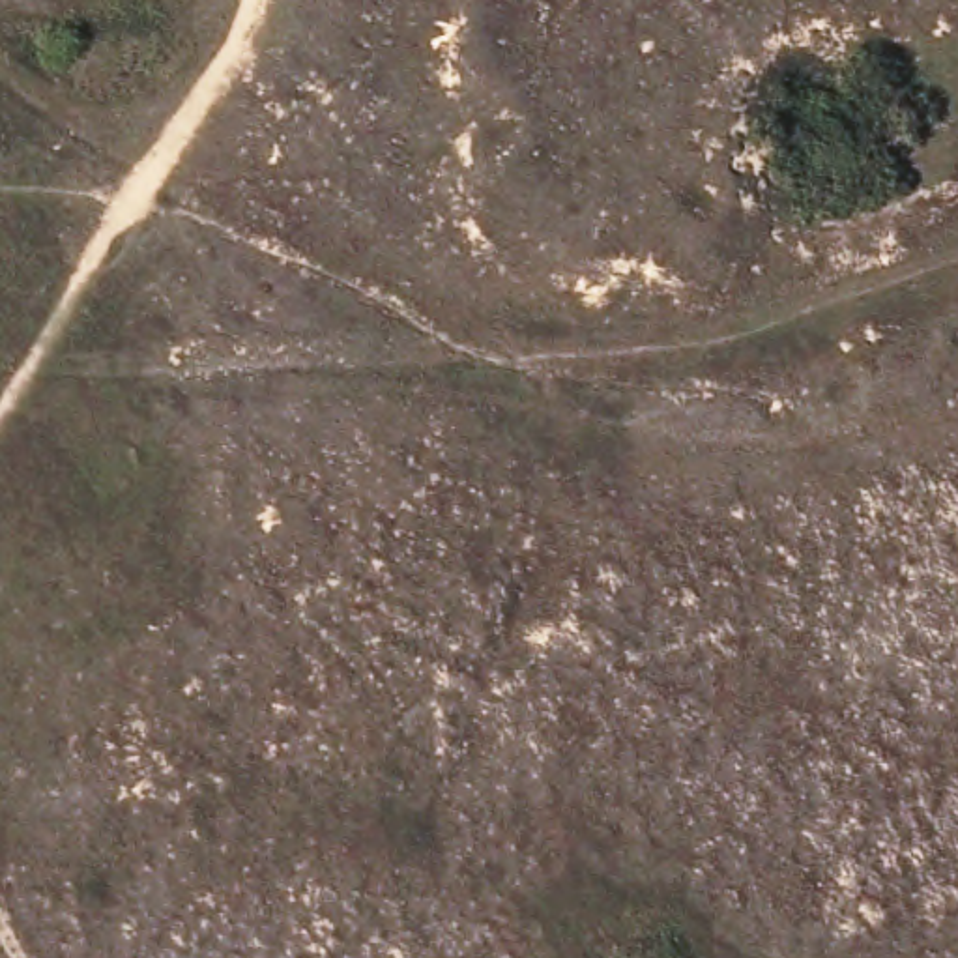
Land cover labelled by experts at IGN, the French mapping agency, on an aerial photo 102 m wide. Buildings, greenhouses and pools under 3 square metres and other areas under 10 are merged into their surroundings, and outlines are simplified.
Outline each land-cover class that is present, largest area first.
<instances>
[{"label":"herbaceous vegetation","instance_id":"1","mask_svg":"<svg viewBox=\"0 0 958 958\"><path fill-rule=\"evenodd\" d=\"M240 0H0V389L37 341L79 254L97 232L105 210L112 206L120 183L153 150L165 123L176 116L198 75L225 45ZM52 19H90V22H94V45H90V52H86V56H79V52H75V34H71V30H49V26H52ZM876 34L883 41L906 45L913 52L921 82L939 86L947 97V112L932 127V138L909 157L921 176V187L879 210H864L853 217H827L805 225L797 210L782 225V210L771 195L790 191L793 180L767 161L771 142H763L756 127H748L756 75L767 71L782 49H808L812 56L835 64L846 60L853 41ZM0 958H958V0H269L266 19L254 30V56L236 67L232 86L210 105L195 138L165 176L150 213L109 243V254L82 288L67 329L60 333L41 370L19 397L15 412L0 427Z\"/></svg>","mask_w":958,"mask_h":958},{"label":"brushwood","instance_id":"2","mask_svg":"<svg viewBox=\"0 0 958 958\"><path fill-rule=\"evenodd\" d=\"M49 30H71V34H75V52H79V56H86V52H90V45H94V22H90V19H52V26H49ZM947 112V97L939 86L921 82L913 52L906 45L883 41L876 34L853 41L846 60L835 64L812 56L808 49H782L767 71L756 75L748 127H756L763 142H771L767 161L793 180L790 191L771 195L782 210V225L797 210L805 225L827 217H853L864 210H879L921 187V176L909 157L932 138V127Z\"/></svg>","mask_w":958,"mask_h":958},{"label":"pervious surface","instance_id":"3","mask_svg":"<svg viewBox=\"0 0 958 958\"><path fill-rule=\"evenodd\" d=\"M269 0H240L225 45L198 75L176 116L165 123L153 150L120 183L112 206L105 210L97 232L79 254L37 341L0 389V427L15 412L19 397L41 370L60 333L67 329L82 288L109 254V243L150 213L165 176L195 138L210 105L232 86L236 67L254 56V30L266 19Z\"/></svg>","mask_w":958,"mask_h":958}]
</instances>
